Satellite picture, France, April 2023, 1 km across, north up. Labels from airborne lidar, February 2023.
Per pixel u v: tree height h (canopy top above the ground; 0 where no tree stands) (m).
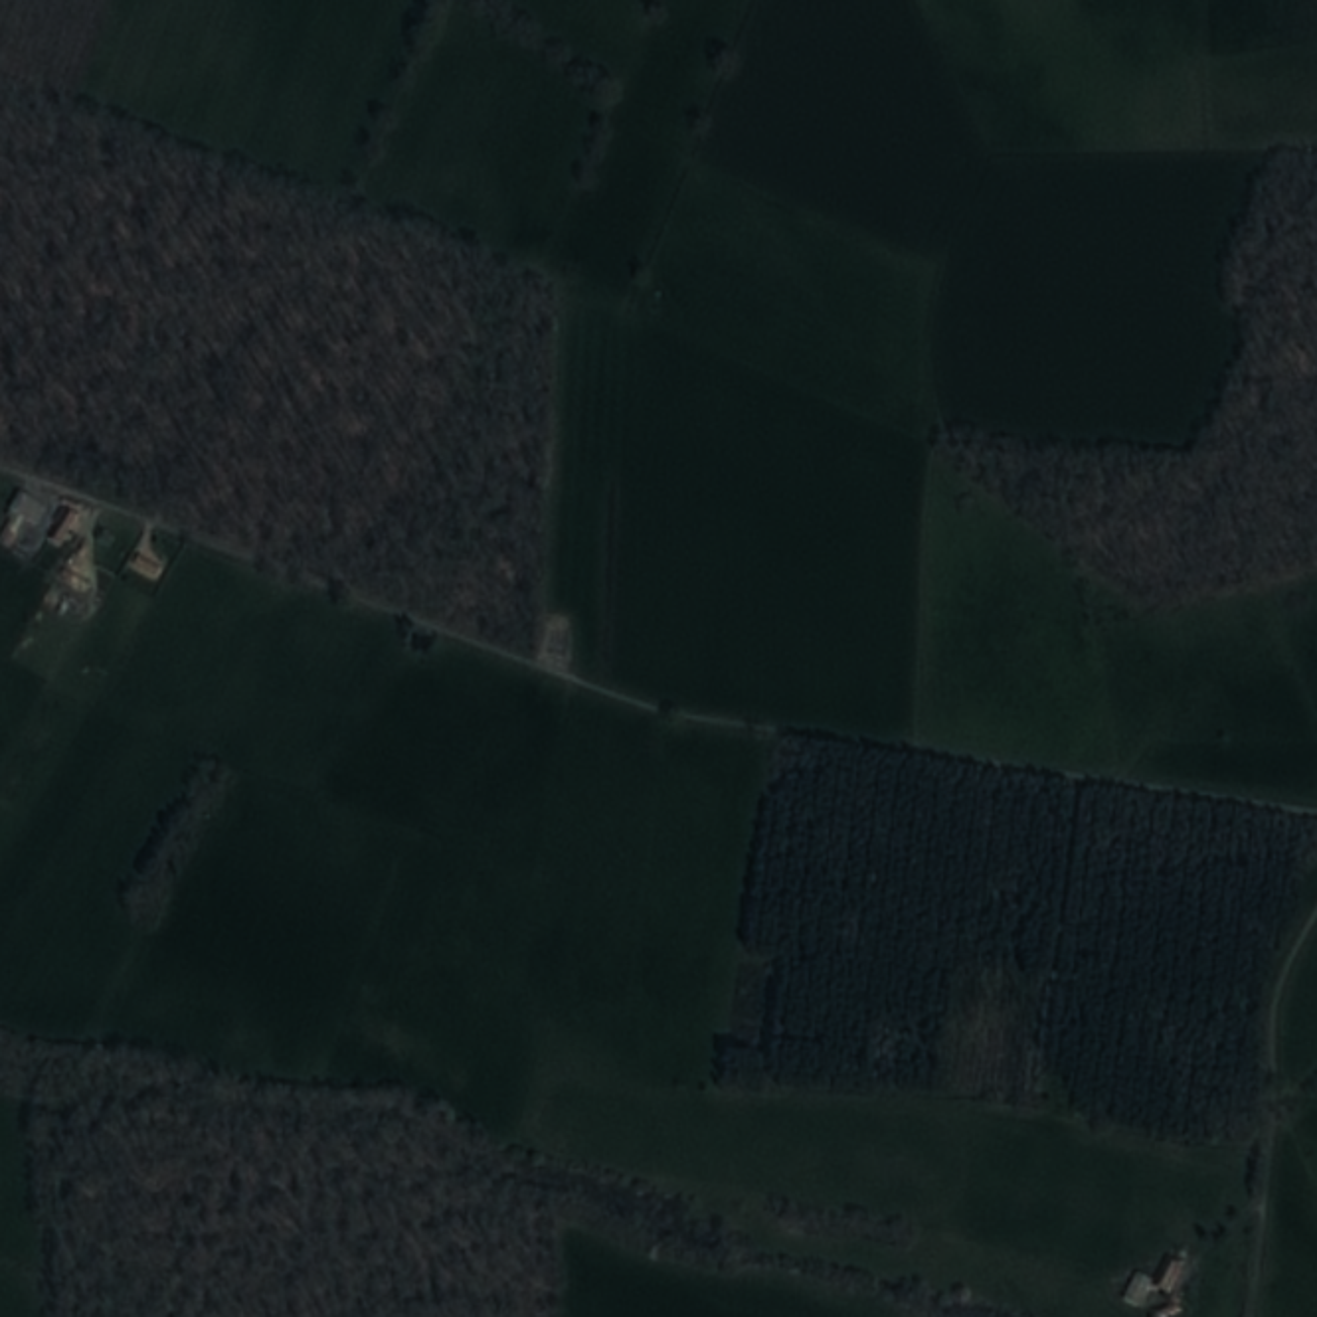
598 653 0
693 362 0
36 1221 15
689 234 0
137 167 24
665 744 0
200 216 25
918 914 22
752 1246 17
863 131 0
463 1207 9
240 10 0
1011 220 0
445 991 0
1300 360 22
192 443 25
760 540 0
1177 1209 0
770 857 15
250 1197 20
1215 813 14
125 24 0
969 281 0
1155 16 0
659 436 0
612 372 0
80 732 0
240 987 0
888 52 0
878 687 0
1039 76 0
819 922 23
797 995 22
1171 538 19
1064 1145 0
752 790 0
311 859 0
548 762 0
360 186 18
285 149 0
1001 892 14
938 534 0
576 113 0
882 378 0
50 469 21
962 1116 0
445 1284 19
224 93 0
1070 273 0
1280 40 0
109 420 27
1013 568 0
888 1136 0
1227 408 14
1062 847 20
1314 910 0
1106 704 0
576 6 0
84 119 20
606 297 0
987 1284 0
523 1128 0
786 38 0
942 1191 0
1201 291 0
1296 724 0
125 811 0
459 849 0
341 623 0
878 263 0
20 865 0
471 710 0
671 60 0
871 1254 0
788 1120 0
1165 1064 17
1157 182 0
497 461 24
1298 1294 0
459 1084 0
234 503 20
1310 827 11
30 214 27
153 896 14
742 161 0
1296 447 19
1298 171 17
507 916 0
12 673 0
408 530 23
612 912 0
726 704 0
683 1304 0
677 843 0
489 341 23
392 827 0
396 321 25
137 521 0
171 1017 0
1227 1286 0
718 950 0
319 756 0
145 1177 10
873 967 19
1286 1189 0
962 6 0
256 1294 11
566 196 0
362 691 0
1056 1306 0
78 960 0
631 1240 18
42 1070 16
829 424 0
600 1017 0
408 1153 12
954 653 0
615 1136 0
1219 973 24
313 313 25
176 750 0
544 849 0
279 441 28
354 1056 0
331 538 9
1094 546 19
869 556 0
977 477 16
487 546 16
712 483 0
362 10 0
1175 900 20
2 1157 0
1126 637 0
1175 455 12
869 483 0
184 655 0
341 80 0
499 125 0
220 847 0
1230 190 0
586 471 0
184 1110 13
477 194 0
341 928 0
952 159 0
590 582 0
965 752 0
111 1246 22
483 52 0
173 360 22
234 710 0
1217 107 0
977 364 0
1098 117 0
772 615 0
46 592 0
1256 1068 17
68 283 25
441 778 0
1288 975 0
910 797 20
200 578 0
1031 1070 30
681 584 0
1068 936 20
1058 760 0
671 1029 0
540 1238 7
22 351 25
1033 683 0
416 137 0
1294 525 16
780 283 0
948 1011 21
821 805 21
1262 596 0
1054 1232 0
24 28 0
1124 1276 0
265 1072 0
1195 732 0
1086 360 0
